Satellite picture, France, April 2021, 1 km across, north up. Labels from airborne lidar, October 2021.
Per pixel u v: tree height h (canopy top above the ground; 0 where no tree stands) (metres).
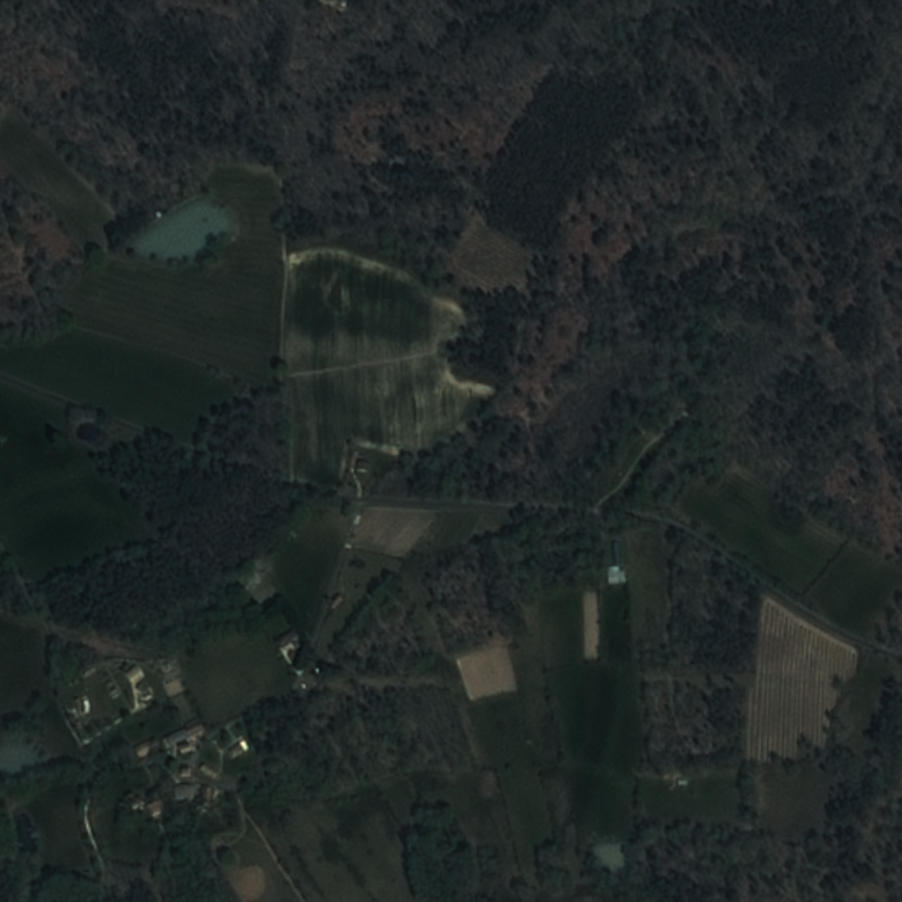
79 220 0
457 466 18
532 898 17
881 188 16
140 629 16
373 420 0
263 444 16
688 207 14
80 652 18
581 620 0
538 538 18
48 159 0
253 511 18
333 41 7
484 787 0
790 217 19
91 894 20
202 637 25
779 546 0
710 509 0
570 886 21
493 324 19
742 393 19
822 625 0
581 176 16
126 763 19
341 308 0
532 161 17
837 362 16
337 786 21
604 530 15
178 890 19
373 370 0
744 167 11
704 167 13
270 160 22
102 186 18
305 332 0
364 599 0
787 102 17
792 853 12
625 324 22
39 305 14
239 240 0
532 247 14
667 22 22
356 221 7
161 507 22
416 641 9
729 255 7
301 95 9
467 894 25
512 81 14
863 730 0
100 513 0
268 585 0
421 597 0
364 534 0
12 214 19
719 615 15
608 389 7
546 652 0
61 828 0
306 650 11
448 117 9
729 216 18
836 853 22
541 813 0
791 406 20
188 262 9
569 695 0
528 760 0
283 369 19
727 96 16
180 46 18
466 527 0
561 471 11
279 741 12
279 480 18
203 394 0
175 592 17
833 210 21
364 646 18
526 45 24
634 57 21
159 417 0
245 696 0
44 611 15
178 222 0
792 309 16
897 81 16
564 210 15
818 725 0
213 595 18
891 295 21
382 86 7
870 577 0
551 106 16
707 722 21
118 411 0
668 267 12
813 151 18
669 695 11
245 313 0
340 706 11
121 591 19
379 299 0
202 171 13
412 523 0
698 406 21
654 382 14
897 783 22
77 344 0
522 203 14
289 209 9
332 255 0
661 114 13
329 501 15
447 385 0
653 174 9
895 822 19
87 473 0
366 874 0
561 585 21
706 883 17
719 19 22
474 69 9
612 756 0
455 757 15
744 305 19
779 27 23
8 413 0
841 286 15
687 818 0
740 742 11
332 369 0
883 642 16
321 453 0
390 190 25
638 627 0
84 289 0
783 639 0
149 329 0
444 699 16
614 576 0
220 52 13
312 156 6
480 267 0
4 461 0
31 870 15
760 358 14
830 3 19
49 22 15
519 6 23
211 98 14
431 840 27
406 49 10
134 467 19
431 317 0
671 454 10
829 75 16
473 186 21
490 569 24
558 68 13
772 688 0
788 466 12
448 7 10
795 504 20
